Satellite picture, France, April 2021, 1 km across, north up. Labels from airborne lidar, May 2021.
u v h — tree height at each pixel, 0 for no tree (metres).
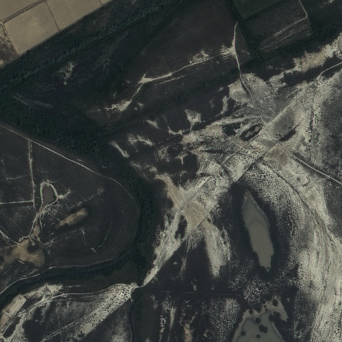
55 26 0
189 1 0
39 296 0
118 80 0
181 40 0
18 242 0
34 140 0
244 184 0
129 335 0
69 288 0
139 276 7
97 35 10
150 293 0
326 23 0
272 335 0
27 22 0
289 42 0
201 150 0
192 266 0
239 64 0
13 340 0
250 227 0
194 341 0
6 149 0
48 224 0
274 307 0
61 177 0
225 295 0
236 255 0
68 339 0
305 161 0
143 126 0
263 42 0
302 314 0
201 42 0
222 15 0
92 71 0
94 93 0
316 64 0
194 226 0
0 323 0
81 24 0
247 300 0
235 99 0
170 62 0
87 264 0
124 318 0
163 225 0
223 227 0
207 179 0
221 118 0
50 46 0
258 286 0
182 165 0
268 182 0
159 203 0
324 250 0
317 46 0
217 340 0
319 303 0
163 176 0
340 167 0
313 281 0
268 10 0
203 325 0
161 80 0
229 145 0
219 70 0
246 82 0
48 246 0
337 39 0
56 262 0
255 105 0
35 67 10
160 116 0
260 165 0
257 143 0
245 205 0
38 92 0
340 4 0
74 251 0
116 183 0
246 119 0
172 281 0
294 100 0
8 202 0
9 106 8
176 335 0
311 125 0
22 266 0
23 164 0
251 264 0
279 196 0
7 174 0
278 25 0
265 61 6
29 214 0
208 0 0
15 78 13
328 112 0
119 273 0
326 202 0
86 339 0
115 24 8
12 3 0
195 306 0
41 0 0
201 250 0
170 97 0
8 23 0
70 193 0
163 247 0
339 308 0
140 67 0
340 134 0
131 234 0
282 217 0
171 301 0
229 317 0
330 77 0
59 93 0
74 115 0
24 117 6
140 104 0
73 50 13
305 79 0
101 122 0
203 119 0
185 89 0
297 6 0
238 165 0
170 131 0
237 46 0
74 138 10
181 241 0
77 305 0
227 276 0
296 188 0
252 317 0
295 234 0
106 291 0
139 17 12
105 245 0
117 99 0
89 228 0
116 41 0
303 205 0
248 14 0
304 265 0
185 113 0
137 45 0
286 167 0
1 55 0
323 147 0
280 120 0
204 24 0
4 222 0
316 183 0
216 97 0
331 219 0
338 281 0
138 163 0
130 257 5
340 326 0
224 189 0
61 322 0
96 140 9
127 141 0
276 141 0
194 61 0
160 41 0
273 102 0
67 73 0
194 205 0
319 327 0
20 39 0
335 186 0
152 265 0
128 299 0
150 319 0
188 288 0
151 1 8
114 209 0
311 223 0
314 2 0
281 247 0
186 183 0
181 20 0
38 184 0
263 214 0
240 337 0
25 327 0
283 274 0
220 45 0
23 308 0
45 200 0
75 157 0
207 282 0
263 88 0
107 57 0
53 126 8
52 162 0
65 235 0
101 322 0
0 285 0
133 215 0
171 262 0
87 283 0
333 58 0
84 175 0
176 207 0
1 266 0
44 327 0
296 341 0
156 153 0
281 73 0
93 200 0
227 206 0
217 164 0
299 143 0
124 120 0
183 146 0
